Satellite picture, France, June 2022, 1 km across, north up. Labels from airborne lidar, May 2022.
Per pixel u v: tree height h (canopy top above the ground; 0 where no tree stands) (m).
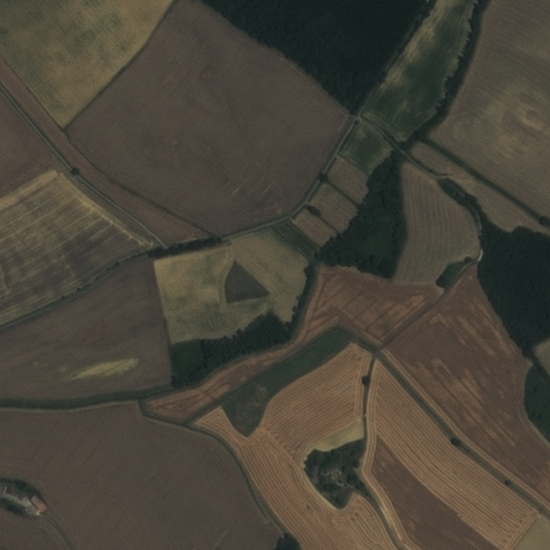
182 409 0
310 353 0
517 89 0
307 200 0
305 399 0
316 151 0
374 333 0
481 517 0
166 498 0
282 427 0
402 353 0
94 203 0
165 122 0
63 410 0
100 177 0
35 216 0
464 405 0
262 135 0
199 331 0
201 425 0
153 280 0
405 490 0
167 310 0
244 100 0
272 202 0
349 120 0
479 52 0
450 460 0
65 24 0
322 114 0
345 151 0
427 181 0
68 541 0
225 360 19
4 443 0
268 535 0
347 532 0
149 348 0
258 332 23
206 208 0
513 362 0
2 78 0
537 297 19
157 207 0
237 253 0
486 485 0
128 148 0
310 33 12
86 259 0
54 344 0
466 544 0
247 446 0
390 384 0
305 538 0
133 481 0
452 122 0
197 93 0
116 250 0
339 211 0
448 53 0
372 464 0
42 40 0
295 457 0
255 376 0
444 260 0
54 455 0
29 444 0
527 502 0
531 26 0
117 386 0
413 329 0
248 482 0
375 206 7
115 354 0
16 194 0
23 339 0
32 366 0
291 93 0
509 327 10
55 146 0
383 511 0
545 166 0
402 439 0
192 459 0
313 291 0
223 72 0
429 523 0
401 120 0
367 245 0
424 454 0
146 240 0
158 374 0
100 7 0
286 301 0
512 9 0
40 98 0
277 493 0
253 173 0
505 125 0
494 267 15
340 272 0
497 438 0
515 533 0
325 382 0
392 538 0
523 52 0
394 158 12
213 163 0
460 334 0
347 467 9
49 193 0
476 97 0
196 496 0
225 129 0
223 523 0
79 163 0
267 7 17
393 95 0
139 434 0
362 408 0
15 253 0
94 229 0
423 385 0
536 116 0
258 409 0
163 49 0
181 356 0
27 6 0
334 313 0
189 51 0
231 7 17
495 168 0
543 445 0
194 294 0
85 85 0
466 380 0
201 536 0
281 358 0
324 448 0
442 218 0
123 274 0
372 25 26
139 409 0
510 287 16
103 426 0
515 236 15
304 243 0
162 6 0
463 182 0
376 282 0
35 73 0
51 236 0
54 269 0
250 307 0
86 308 0
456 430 0
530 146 0
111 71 0
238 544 0
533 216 0
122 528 0
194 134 0
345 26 20
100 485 0
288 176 0
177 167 0
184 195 0
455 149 0
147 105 0
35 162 0
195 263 0
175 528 0
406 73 0
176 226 0
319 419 0
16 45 0
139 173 0
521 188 0
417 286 0
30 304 0
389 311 0
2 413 0
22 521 0
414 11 21
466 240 0
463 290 0
